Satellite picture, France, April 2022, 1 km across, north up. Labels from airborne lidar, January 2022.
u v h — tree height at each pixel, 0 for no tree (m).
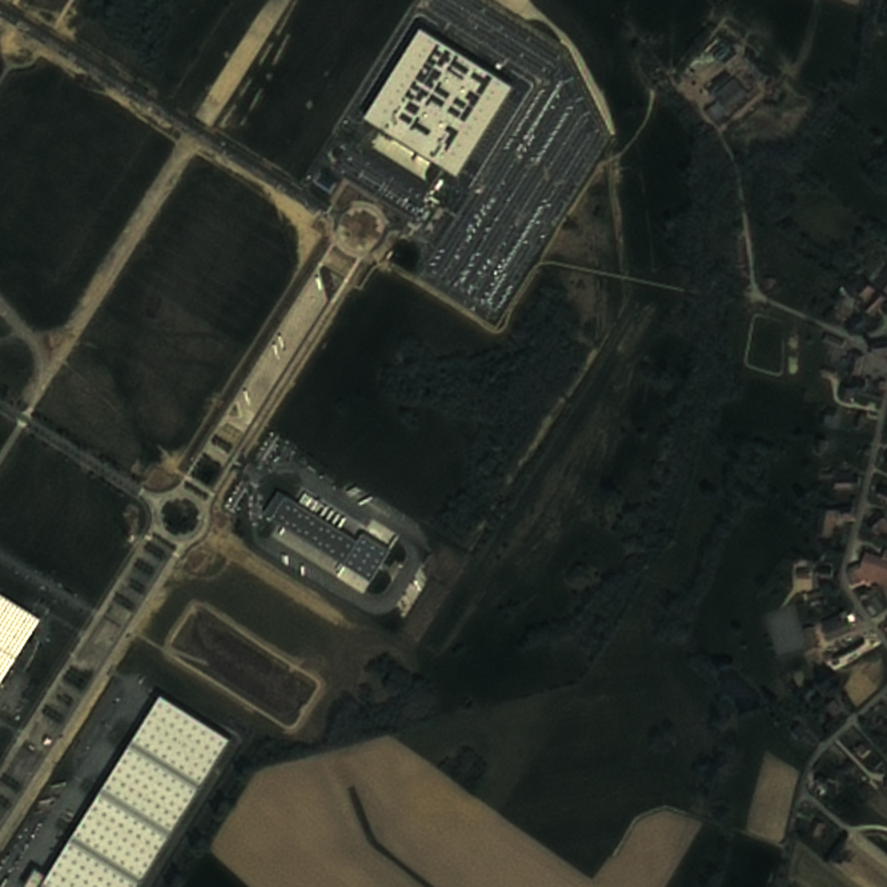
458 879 0
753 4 0
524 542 0
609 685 0
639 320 0
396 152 0
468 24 0
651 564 6
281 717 0
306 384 0
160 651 0
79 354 0
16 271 0
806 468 11
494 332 0
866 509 0
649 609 0
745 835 0
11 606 0
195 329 0
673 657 0
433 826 0
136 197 0
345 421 0
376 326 0
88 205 0
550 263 0
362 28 0
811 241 12
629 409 0
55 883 0
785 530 0
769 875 0
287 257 0
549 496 0
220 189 0
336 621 0
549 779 0
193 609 0
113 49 0
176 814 0
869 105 0
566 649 0
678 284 0
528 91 0
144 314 0
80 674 0
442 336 0
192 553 0
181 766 0
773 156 19
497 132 0
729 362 19
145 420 0
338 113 0
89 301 0
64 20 0
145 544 0
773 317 0
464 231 0
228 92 0
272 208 0
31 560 0
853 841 0
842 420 0
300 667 0
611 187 0
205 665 0
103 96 0
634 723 0
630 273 0
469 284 0
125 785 0
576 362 11
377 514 0
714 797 23
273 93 0
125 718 0
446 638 0
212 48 0
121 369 0
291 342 0
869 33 20
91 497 0
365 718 17
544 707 0
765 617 0
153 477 0
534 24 0
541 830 0
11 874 0
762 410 0
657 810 0
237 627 0
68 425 0
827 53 0
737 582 0
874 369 0
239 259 0
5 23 0
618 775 0
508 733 0
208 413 0
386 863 0
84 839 0
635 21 0
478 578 0
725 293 18
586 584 0
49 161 0
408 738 0
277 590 0
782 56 0
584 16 0
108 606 0
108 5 13
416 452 0
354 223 0
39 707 0
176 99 0
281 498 0
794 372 0
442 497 0
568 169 0
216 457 0
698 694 0
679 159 0
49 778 0
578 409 0
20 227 0
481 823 0
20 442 0
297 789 0
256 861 0
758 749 0
